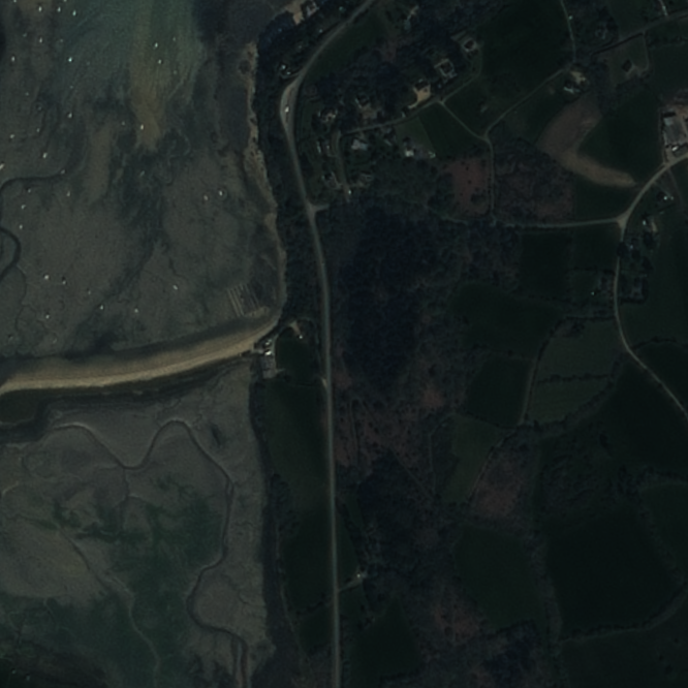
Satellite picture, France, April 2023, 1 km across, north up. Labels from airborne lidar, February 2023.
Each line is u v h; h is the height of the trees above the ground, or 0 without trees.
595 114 0
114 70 0
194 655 0
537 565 17
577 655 0
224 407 0
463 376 10
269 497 0
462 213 0
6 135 0
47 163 0
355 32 0
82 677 0
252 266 0
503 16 0
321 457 0
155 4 0
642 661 0
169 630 0
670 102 0
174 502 0
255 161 0
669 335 0
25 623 0
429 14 16
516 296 7
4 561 0
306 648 0
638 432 0
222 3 0
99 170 0
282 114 0
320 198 6
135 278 0
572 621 0
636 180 0
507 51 0
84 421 0
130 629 0
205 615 0
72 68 0
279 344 0
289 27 24
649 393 0
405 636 0
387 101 12
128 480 0
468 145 0
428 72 19
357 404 10
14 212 0
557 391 0
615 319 6
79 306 0
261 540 0
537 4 0
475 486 0
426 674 12
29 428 0
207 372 0
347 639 12
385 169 15
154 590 0
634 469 0
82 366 0
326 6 22
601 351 0
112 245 0
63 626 0
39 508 0
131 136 0
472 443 0
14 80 0
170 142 0
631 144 0
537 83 0
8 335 0
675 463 0
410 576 13
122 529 0
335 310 6
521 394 0
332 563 0
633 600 0
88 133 0
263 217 0
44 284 0
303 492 0
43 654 0
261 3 0
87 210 0
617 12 0
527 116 0
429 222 10
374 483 10
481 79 0
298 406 0
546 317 0
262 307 0
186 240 0
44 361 0
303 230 11
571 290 6
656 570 0
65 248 0
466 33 7
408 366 8
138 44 0
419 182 12
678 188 0
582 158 0
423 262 23
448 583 7
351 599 0
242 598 0
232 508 0
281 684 0
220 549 0
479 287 0
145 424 0
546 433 12
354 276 23
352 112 14
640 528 0
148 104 0
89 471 0
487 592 0
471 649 13
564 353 0
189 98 0
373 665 0
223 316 0
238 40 0
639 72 0
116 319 0
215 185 0
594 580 0
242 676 0
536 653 10
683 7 0
